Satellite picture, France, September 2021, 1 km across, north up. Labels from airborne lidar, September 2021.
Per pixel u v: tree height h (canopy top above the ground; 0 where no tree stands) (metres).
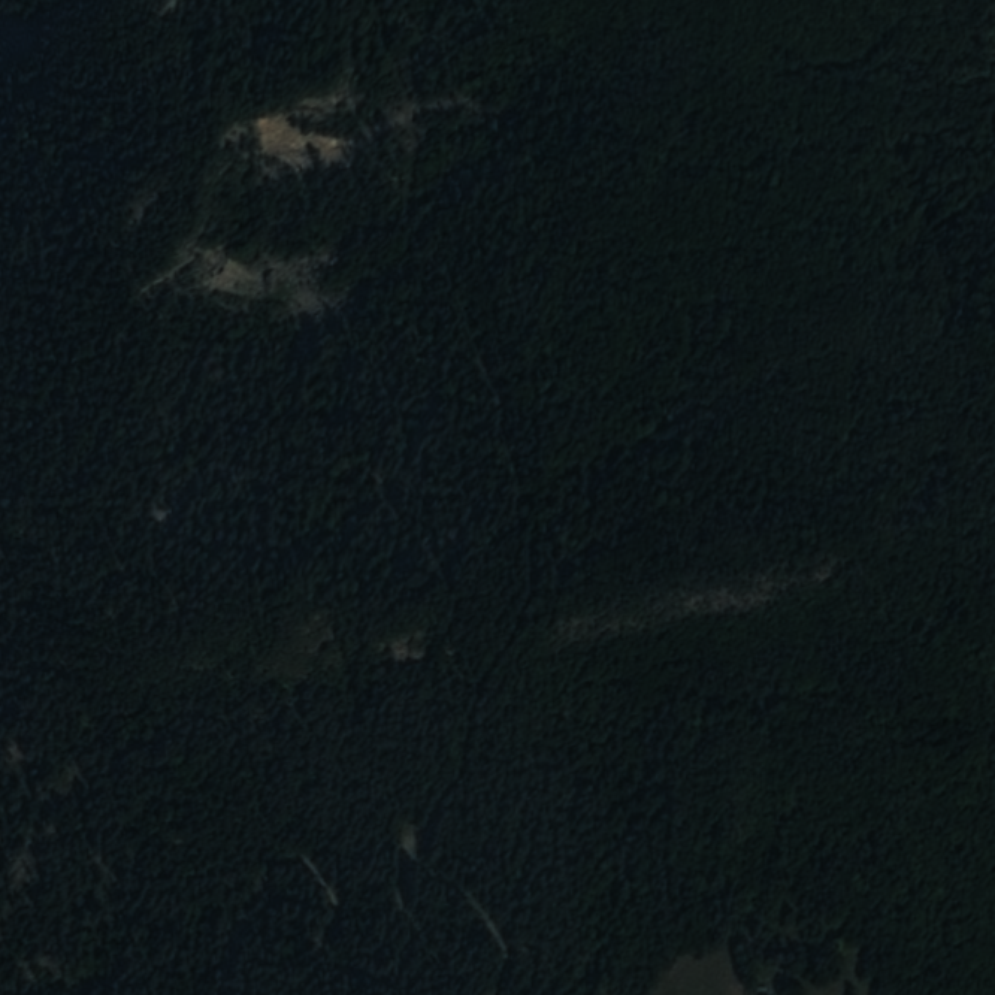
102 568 16
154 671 20
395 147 15
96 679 26
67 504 18
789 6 23
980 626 19
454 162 11
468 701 26
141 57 15
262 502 31
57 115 16
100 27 16
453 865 22
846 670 35
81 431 22
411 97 10
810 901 18
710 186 21
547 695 21
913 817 22
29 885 8
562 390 19
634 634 9
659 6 22
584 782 8
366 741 24
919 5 25
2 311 24
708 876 18
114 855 16
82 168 25
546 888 21
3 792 19
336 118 13
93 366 14
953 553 17
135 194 7
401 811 28
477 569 26
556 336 17
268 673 19
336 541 20
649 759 32
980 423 20
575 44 24
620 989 24
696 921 26
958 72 17
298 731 18
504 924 29
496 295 24
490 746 32
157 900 25
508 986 22
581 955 25
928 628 17
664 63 25
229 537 29
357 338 16
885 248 32
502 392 26
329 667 11
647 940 15
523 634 26
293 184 25
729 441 19
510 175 14
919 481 24
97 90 27
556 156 17
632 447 14
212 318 24
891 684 26
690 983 0
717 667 23
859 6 20
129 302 19
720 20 20
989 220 22
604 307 20
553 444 28
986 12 23
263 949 24
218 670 13
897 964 30
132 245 14
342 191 27
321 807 26
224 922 13
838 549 16
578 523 22
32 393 24
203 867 20
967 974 21
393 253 21
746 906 21
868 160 32
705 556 16
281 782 27
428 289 16
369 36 16
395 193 16
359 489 14
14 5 29
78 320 18
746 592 12
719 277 19
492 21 25
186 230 10
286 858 11
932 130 28
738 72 22
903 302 23
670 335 23
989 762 28
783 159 26
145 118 24
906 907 29
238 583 20
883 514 10
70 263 30
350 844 29
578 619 15
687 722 21
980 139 25
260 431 25
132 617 26
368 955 38
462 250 20
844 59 25
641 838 24
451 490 25
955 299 9
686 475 18
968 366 26
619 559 20
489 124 19
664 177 24
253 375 29
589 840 29
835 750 20
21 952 25
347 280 17
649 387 23
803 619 19
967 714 25
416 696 36
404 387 19
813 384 24
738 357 23
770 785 23
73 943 26
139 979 32
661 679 35
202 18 24
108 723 29
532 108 15
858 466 17
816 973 31
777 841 20
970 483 22
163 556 20
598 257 24
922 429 22
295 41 22
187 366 19
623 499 12
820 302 22
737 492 18
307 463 17
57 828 24
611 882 21
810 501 19
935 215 27
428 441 31
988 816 28
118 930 11
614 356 15
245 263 14
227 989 24
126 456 17
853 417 22
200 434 21
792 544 18
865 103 26
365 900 16
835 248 17
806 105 19
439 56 21
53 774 29
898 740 16
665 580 14
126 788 22
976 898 24
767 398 22
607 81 24
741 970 20
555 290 18
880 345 23
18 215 17
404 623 12
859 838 11
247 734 31
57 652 30
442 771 25
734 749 13
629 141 15
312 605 18
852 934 18
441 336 25
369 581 18
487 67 17
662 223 29
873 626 26
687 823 11
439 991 30
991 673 21
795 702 21
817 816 15
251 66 28
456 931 14
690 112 7
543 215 14
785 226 23
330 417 9
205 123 17
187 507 23
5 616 30
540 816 28
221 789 15
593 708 21
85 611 13
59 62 11
